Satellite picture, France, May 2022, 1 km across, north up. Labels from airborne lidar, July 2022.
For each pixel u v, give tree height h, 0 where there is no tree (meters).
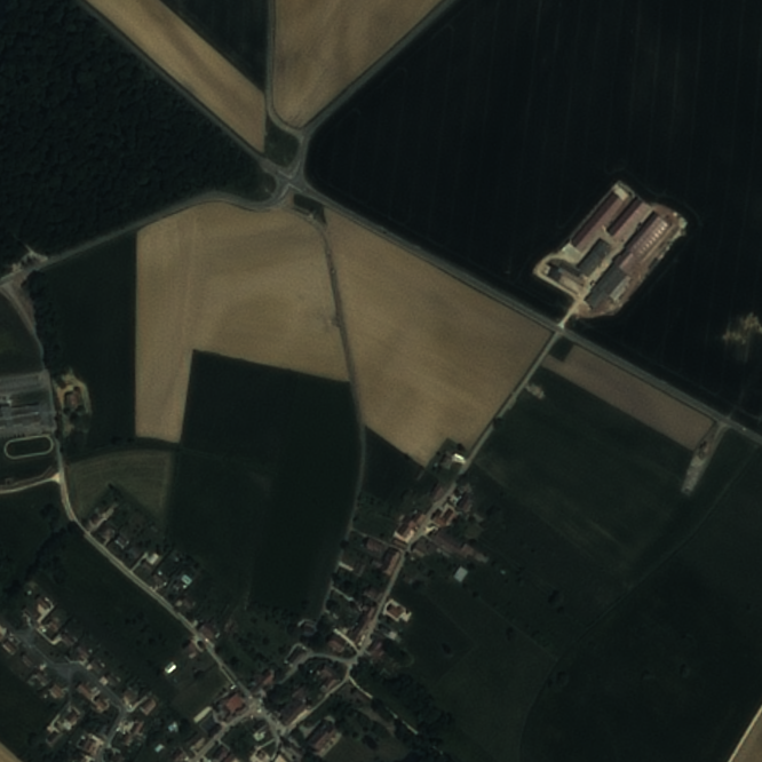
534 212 0
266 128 0
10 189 26
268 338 0
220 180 16
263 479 0
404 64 0
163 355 0
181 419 0
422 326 0
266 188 0
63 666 0
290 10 0
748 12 0
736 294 0
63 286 0
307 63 0
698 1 0
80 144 23
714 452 0
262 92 0
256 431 0
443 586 0
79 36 27
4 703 0
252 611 7
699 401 0
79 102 27
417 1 0
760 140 0
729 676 0
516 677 0
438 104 0
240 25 0
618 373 0
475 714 0
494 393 0
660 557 0
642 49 0
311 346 0
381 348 0
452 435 0
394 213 0
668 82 0
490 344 0
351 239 0
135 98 25
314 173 0
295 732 11
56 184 21
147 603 0
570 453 0
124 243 0
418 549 0
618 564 0
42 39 29
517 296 0
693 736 0
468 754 0
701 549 0
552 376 0
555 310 0
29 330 0
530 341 0
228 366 0
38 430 0
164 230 0
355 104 0
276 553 0
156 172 18
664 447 0
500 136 0
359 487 0
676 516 0
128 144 27
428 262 0
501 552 0
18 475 0
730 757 0
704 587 0
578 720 0
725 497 0
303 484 0
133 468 0
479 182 0
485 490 0
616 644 0
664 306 0
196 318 0
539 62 0
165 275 0
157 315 0
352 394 0
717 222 0
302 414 0
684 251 0
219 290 0
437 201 0
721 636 0
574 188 0
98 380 0
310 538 0
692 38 0
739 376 0
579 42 0
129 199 22
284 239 0
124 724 0
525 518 0
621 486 0
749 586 0
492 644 0
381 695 0
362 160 0
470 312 0
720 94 0
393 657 15
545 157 0
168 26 0
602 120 0
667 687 0
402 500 6
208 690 0
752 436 0
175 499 0
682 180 0
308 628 0
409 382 0
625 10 0
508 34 0
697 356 0
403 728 19
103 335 0
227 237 0
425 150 0
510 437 0
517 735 0
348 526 0
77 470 0
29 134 25
